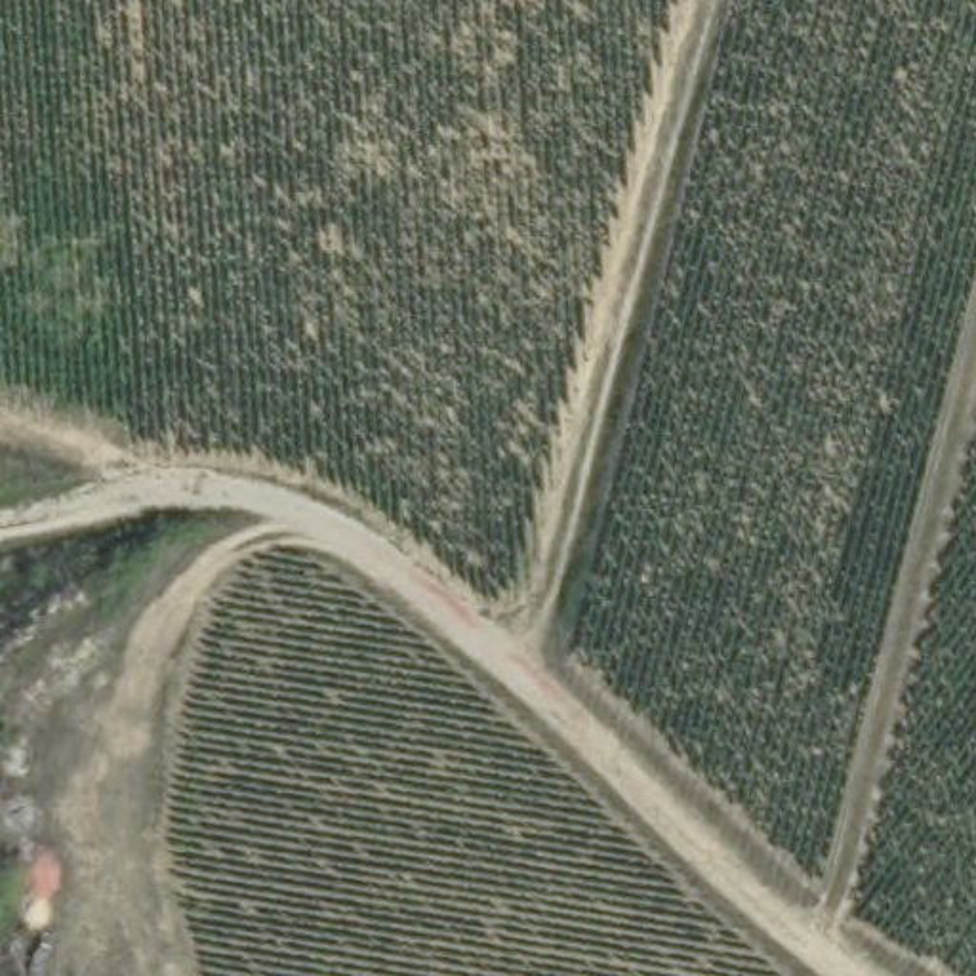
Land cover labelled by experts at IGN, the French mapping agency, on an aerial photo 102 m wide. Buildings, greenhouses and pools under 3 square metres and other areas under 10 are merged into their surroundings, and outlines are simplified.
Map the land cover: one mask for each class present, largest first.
<instances>
[{"label":"vineyard","instance_id":"1","mask_svg":"<svg viewBox=\"0 0 976 976\"><path fill-rule=\"evenodd\" d=\"M65 423L99 427L103 438H111L114 446L153 442L168 458V465L210 469L221 477L297 492L313 503H324L362 522L374 534H389V541L400 553H408L419 572L438 580L454 572L480 595V618L515 633H534L541 641L545 671L602 728H610L641 759V766L671 789L679 804H686L724 846H732L740 862L770 892L801 907V915L824 938H843L850 953H862L885 976H976V0H0V442L50 446ZM214 621L206 629L202 663L183 709V763L168 831L172 873L187 881L179 911L194 934L198 976H820L782 942H774L755 919H747L728 896H721L557 728L545 724L541 713H534L511 686H503L450 637H442L397 591L374 583L351 560L301 545L252 553L210 583V599Z\"/></svg>","mask_w":976,"mask_h":976},{"label":"herbaceous vegetation","instance_id":"2","mask_svg":"<svg viewBox=\"0 0 976 976\"><path fill-rule=\"evenodd\" d=\"M95 480L92 465L69 461L50 446L0 442V511L57 499ZM214 621L210 599L194 602L191 618L183 621L179 637L160 660L149 747L133 759H122L99 782V820L84 839L92 850H114L103 865L72 862L69 831L57 820V801L69 778L84 763H92V755L107 743L95 709H103L118 690L126 648L137 621L130 614L103 621L88 606V591H65L53 595L46 606L31 610V621L0 644V843L19 846V865L31 873L27 923L34 926L27 946L23 938L0 946V976H198L194 934L179 911L187 881L172 873L168 831L183 763V709L202 663L206 629Z\"/></svg>","mask_w":976,"mask_h":976},{"label":"pervious surface","instance_id":"3","mask_svg":"<svg viewBox=\"0 0 976 976\"><path fill-rule=\"evenodd\" d=\"M69 461L92 465L95 480L57 499L0 511V541L99 526L111 519L141 515L149 507L255 511V526L233 530L229 538L198 553L194 564L183 576H175L172 587L156 602H149L137 621L126 648L118 690L103 709H95L107 743L92 755V763H84L69 778L57 801V820L69 831L72 862L103 865L114 850H92L84 839L99 820V782L122 759H133L149 747L160 660L179 637L183 621L191 618L194 602L210 599V583L252 553L301 545L351 560L374 583L397 591L442 637H450L503 686H511L534 713H541L545 724L557 728L721 896H728L747 919H755L774 942H782L820 976H885L862 953H850L843 938H824L801 915V907L770 892L740 862L732 846H724L686 804H679L671 789L641 766V759L610 728H602L545 671L541 641L534 633H515L480 618V595L454 572L438 580L419 572L408 553H400L389 541V534H374L362 522L324 503H313L297 492L221 477L210 469L168 465V458L153 442L114 446L111 438H103L99 427L65 423L50 446Z\"/></svg>","mask_w":976,"mask_h":976},{"label":"brushwood","instance_id":"4","mask_svg":"<svg viewBox=\"0 0 976 976\"><path fill-rule=\"evenodd\" d=\"M255 511L149 507L141 515L111 519L99 526L0 541V644L31 621V610L46 606L53 595L65 591H88V606L103 621L130 614L137 621L149 602H156L172 587L175 576H183L194 564L198 553L229 538L233 530L255 526Z\"/></svg>","mask_w":976,"mask_h":976},{"label":"deciduous trees","instance_id":"5","mask_svg":"<svg viewBox=\"0 0 976 976\"><path fill-rule=\"evenodd\" d=\"M31 873L19 865V846L0 843V946L23 938L27 946L34 926L27 923Z\"/></svg>","mask_w":976,"mask_h":976}]
</instances>
